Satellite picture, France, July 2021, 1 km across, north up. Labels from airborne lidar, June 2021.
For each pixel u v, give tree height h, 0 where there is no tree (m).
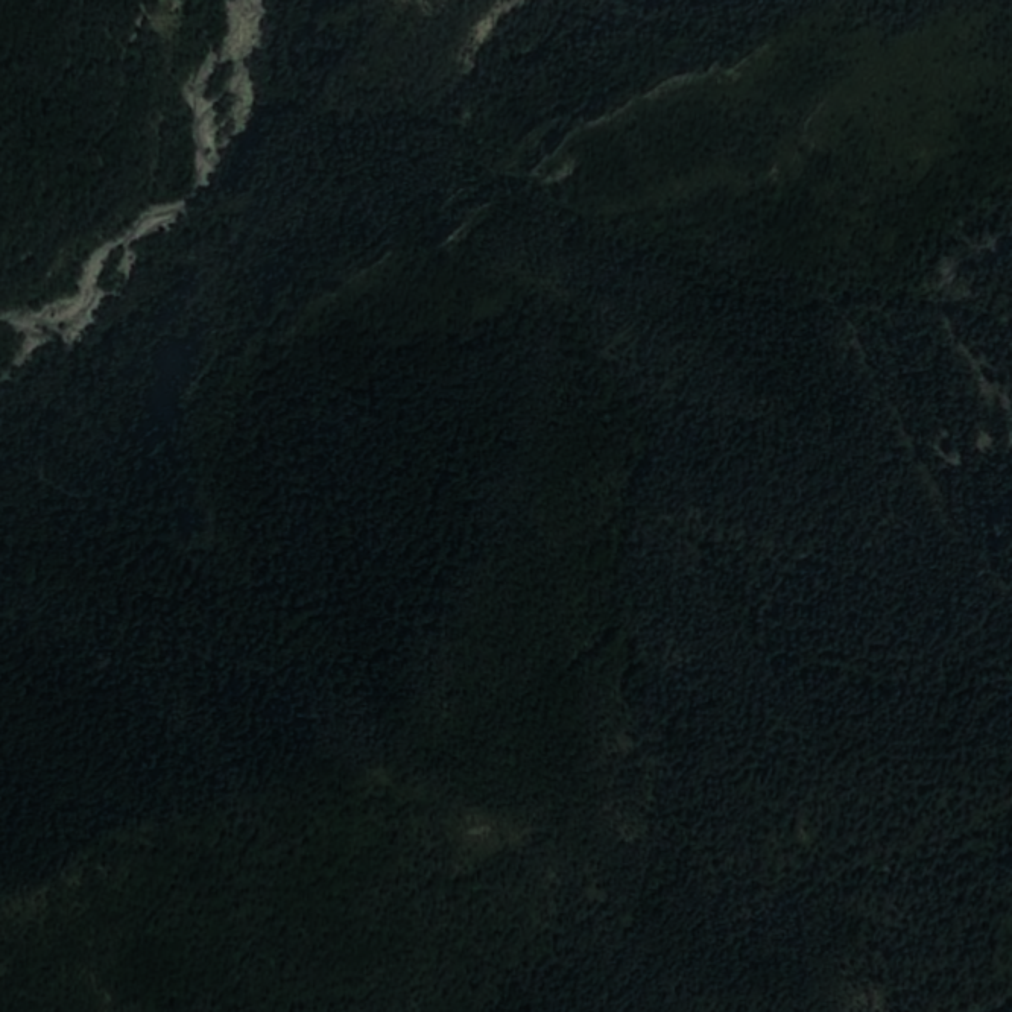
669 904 17
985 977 13
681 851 13
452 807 10
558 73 9
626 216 11
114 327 11
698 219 11
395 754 15
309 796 12
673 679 8
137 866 10
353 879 8
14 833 21
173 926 13
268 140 18
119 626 23
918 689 13
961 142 11
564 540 15
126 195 14
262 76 13
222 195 9
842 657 13
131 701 21
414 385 17
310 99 11
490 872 10
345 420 18
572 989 10
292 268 12
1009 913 16
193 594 16
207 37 8
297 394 21
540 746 14
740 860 18
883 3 9
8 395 16
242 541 15
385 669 22
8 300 19
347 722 25
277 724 31
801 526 14
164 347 16
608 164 8
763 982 11
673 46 7
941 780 11
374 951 10
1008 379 15
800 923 9
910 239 15
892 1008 9
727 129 7
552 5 6
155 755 20
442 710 13
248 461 26
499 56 18
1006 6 13
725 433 16
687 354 9
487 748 15
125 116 10
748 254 10
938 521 13
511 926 8
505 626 12
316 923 13
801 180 6
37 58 18
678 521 10
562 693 18
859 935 15
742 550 13
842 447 12
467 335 22
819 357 12
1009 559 11
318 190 15
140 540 18
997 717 13
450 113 14
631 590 9
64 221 13
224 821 8
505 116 13
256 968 12
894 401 11
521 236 24
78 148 18
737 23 11
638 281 16
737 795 13
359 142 16
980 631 11
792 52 8
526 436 18
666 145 8
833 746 13
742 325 18
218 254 15
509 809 7
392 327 10
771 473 17
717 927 15
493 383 24
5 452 13
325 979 10
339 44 19
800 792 12
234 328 15
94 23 15
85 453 12
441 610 26
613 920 14
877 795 11
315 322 14
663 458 13
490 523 17
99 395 15
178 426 10
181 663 19
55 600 13
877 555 12
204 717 21
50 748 20
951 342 8
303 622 18
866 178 6
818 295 13
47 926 8
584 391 17
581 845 10
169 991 12
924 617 14
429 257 7
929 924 12
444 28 11
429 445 23
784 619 14
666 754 11
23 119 12
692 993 7
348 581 30
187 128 7
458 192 10
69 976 9
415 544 26
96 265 0
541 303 15
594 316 11
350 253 8
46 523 17
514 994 17
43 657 20
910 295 11
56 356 18
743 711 13
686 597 12
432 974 11
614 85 6
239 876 13
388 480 28
